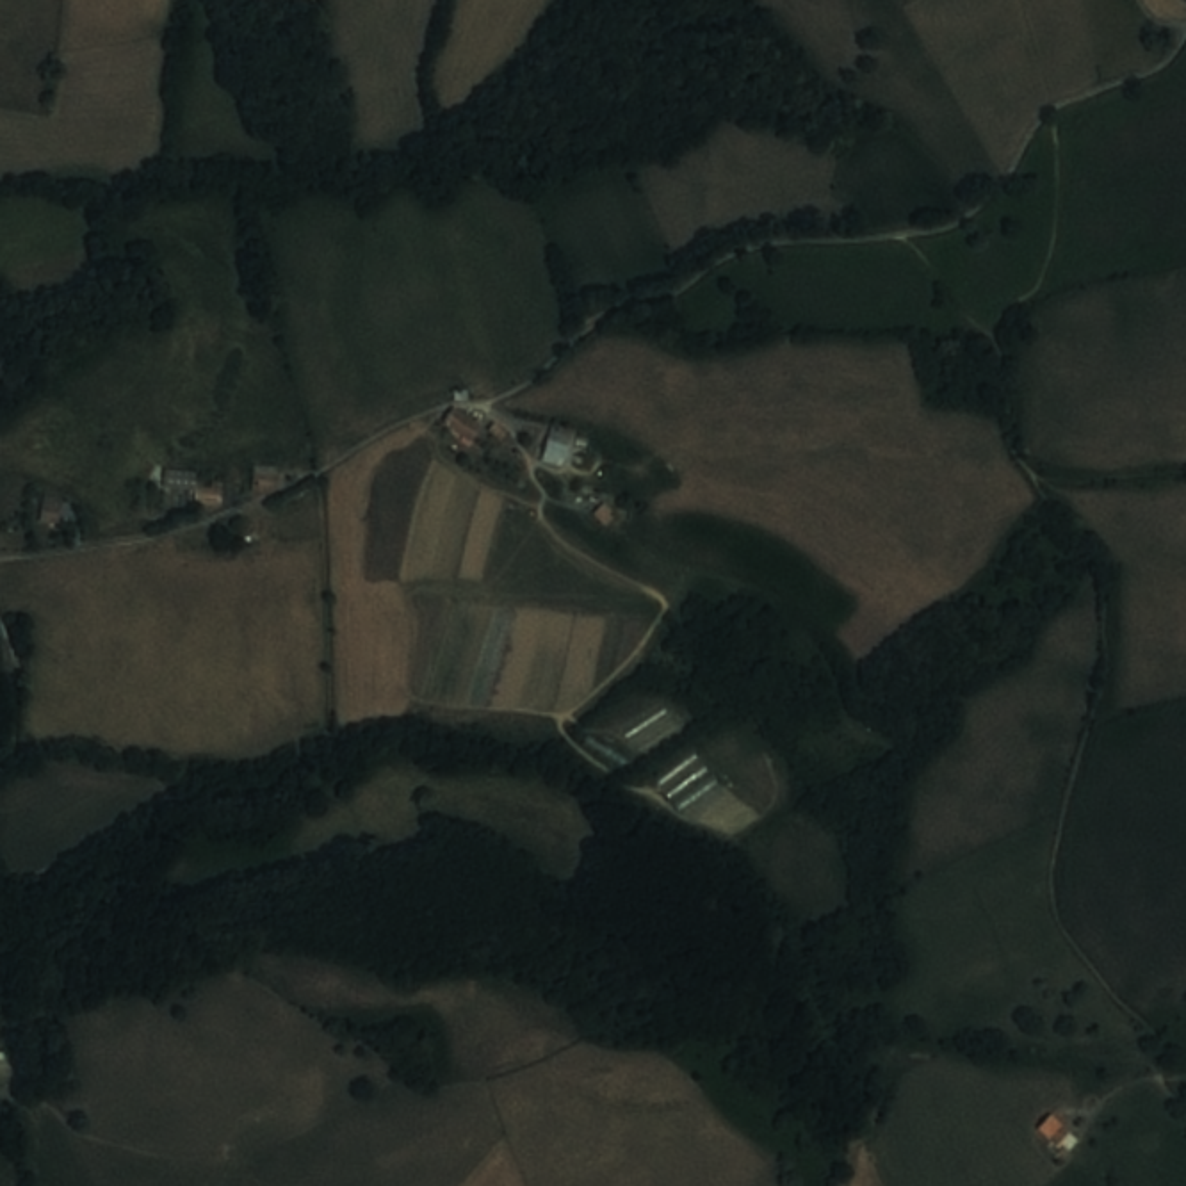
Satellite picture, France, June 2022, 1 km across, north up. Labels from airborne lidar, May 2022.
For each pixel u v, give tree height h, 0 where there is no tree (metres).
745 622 8
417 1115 0
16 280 0
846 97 13
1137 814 0
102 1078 0
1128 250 0
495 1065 0
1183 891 0
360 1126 0
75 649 0
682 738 8
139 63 0
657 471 0
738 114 22
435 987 0
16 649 18
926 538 0
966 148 0
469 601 0
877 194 0
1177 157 0
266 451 0
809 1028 27
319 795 19
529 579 0
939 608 10
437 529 0
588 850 20
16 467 0
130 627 0
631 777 11
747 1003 20
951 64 0
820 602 0
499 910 18
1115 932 0
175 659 0
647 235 0
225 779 13
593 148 18
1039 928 0
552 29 20
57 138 0
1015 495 0
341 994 0
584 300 17
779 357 0
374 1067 0
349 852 21
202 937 14
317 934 15
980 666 18
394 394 0
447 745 20
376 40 0
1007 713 0
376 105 0
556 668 0
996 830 0
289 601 0
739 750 0
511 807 0
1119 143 0
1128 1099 0
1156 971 0
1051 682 0
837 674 6
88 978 17
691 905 25
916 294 0
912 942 0
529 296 0
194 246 0
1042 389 0
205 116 0
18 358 25
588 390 0
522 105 21
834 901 0
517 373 0
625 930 19
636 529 0
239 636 0
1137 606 0
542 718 0
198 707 0
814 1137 6
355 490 0
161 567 0
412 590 0
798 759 8
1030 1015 14
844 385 0
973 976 0
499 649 0
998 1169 0
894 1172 0
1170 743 0
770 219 15
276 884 19
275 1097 0
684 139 20
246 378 0
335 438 0
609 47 21
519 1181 0
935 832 0
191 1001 8
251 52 25
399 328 0
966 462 0
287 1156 0
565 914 22
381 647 0
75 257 0
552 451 0
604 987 8
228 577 0
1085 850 0
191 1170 0
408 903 19
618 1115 0
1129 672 0
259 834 17
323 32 16
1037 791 0
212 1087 0
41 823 0
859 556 0
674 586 0
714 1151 0
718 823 0
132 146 0
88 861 19
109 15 0
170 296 18
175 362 0
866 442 0
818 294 0
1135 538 0
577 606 0
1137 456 0
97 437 0
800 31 0
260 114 23
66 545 8
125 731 0
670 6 20
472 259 0
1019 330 12
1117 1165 0
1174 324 0
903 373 0
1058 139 0
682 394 0
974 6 0
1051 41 0
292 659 0
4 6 0
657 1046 8
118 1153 0
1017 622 22
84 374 0
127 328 11
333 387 0
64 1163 0
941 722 10
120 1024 0
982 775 0
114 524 0
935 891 0
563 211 0
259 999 0
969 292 0
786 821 0
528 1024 0
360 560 0
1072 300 0
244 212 13
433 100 19
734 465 0
